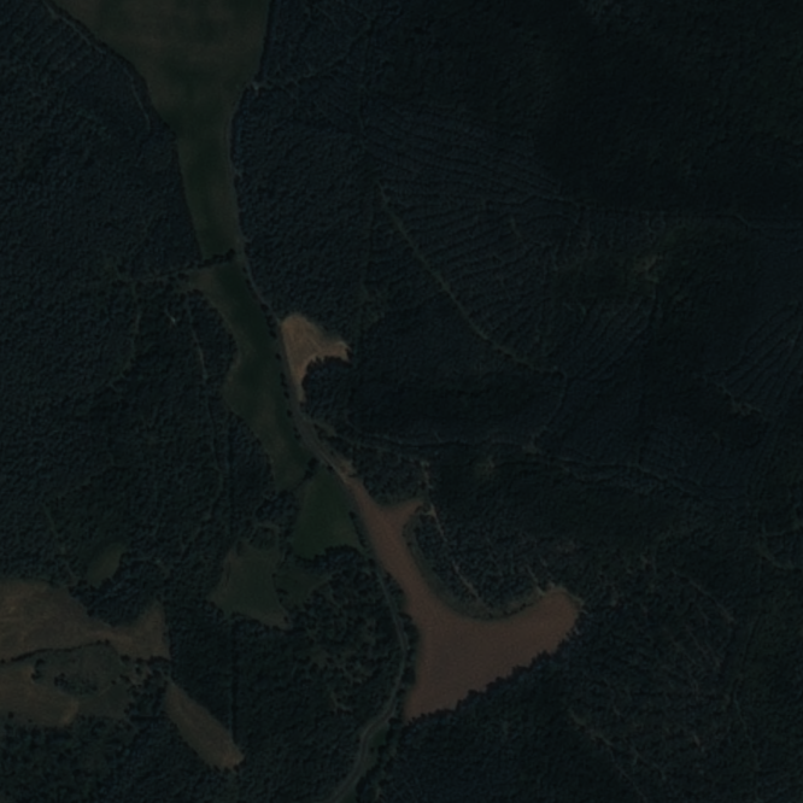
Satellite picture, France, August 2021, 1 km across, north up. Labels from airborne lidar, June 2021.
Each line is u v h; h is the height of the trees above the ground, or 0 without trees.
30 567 17
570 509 12
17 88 10
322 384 18
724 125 13
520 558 14
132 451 14
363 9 13
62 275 8
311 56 14
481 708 15
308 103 11
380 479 14
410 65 19
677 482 9
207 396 11
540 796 8
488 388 12
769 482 10
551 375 10
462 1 21
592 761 16
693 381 10
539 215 7
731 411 11
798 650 10
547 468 8
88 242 15
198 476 12
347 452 13
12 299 16
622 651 17
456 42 19
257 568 0
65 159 16
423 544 14
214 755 0
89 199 15
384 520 0
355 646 7
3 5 10
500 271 11
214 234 0
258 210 17
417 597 0
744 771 16
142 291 6
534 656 0
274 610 0
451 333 10
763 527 9
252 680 9
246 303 0
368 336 11
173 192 10
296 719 13
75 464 17
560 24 18
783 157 14
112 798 14
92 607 11
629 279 11
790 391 11
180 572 9
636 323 9
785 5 17
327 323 18
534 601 0
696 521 13
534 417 11
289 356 0
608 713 18
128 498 7
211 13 0
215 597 0
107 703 0
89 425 15
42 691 0
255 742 10
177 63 0
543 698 16
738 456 13
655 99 15
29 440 15
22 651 0
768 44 20
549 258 10
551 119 20
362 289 10
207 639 16
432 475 11
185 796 22
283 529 8
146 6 0
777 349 10
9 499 16
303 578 0
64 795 11
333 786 18
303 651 9
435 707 0
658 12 18
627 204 13
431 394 18
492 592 18
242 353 0
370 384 12
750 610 13
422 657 0
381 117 11
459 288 11
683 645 14
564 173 10
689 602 22
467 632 0
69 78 9
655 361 15
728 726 13
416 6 23
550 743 12
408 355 10
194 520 9
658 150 14
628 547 16
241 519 13
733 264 9
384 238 8
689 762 17
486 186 12
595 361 10
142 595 14
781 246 13
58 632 0
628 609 15
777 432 10
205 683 12
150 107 9
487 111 20
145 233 7
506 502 15
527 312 12
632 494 15
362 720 17
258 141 22
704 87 16
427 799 7
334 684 12
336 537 0
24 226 14
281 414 0
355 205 16
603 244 12
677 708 13
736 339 12
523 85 13
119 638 0
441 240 8
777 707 10
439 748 12
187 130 0
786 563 12
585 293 16
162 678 12
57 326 15
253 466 15
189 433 9
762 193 12
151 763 16
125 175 13
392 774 11
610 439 10
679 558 19
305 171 19
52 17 9
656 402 12
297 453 0
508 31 20
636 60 13
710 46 16
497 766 9
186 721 0
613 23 15
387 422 16
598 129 18
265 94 9
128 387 12
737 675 13
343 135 18
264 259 12
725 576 14
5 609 0
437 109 12
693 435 11
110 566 0
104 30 0
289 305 14
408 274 11
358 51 13
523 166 8
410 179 10
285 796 18
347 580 13
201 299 10
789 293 13
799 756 7
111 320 12
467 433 10
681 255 13
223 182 0
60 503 8
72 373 16
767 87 24
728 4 20
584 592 13
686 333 13
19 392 16
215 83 0
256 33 0
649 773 19
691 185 15
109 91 7
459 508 14
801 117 21
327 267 17
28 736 15
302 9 14
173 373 10
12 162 18
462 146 10
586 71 19
